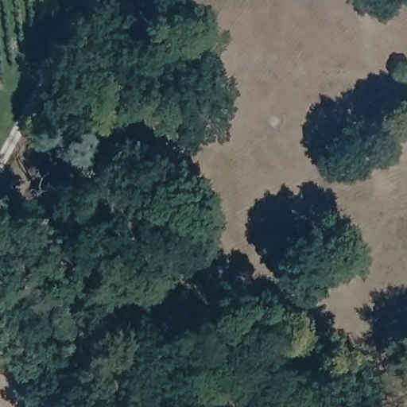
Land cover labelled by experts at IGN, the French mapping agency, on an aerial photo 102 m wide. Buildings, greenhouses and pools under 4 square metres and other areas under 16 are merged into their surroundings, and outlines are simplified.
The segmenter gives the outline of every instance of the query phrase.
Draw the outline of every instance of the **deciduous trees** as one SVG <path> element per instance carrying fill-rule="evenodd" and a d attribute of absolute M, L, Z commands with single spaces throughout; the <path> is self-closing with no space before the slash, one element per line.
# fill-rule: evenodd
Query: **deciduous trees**
<path fill-rule="evenodd" d="M 35 16 L 33 3 L 43 0 L 0 0 L 0 64 L 6 60 L 8 65 L 17 64 L 17 43 L 24 40 L 24 19 Z"/>
<path fill-rule="evenodd" d="M 134 24 L 135 17 L 132 14 L 121 14 L 118 0 L 89 0 L 94 6 L 91 21 L 87 22 L 84 17 L 79 17 L 76 22 L 76 33 L 68 40 L 67 45 L 52 45 L 49 41 L 48 49 L 40 52 L 35 68 L 38 87 L 46 87 L 46 91 L 41 94 L 45 108 L 29 114 L 25 126 L 19 129 L 21 137 L 25 140 L 25 151 L 32 148 L 43 153 L 52 148 L 59 159 L 70 162 L 79 169 L 86 169 L 92 164 L 92 157 L 99 145 L 97 140 L 102 135 L 108 137 L 114 129 L 122 129 L 135 122 L 143 122 L 145 126 L 151 127 L 156 137 L 175 141 L 176 145 L 180 146 L 181 153 L 188 153 L 191 157 L 196 156 L 200 145 L 208 145 L 213 141 L 229 141 L 231 119 L 237 111 L 234 102 L 238 97 L 238 89 L 235 86 L 235 78 L 227 78 L 221 54 L 231 41 L 231 33 L 219 29 L 215 11 L 211 6 L 199 5 L 194 0 L 154 0 L 157 17 L 149 22 L 149 38 L 137 41 L 129 37 L 130 25 Z M 176 92 L 175 87 L 169 87 L 167 94 L 159 94 L 159 75 L 162 78 L 173 79 L 175 70 L 181 70 L 181 91 Z"/>
<path fill-rule="evenodd" d="M 329 289 L 348 283 L 353 277 L 366 280 L 372 264 L 370 248 L 362 240 L 358 227 L 350 223 L 347 231 L 343 232 L 339 226 L 335 226 L 335 221 L 340 218 L 339 208 L 335 211 L 324 211 L 320 207 L 313 211 L 308 221 L 305 221 L 307 227 L 313 229 L 313 245 L 299 238 L 278 266 L 283 277 L 280 277 L 278 286 L 286 291 L 289 299 L 299 307 L 316 308 L 313 300 L 328 297 Z"/>
<path fill-rule="evenodd" d="M 369 14 L 377 17 L 380 22 L 388 21 L 397 14 L 401 5 L 407 5 L 407 0 L 351 0 L 356 13 Z"/>
<path fill-rule="evenodd" d="M 110 167 L 107 167 L 94 184 L 84 184 L 83 189 L 64 184 L 59 186 L 60 200 L 54 205 L 54 218 L 67 219 L 68 216 L 75 216 L 76 223 L 81 224 L 94 215 L 99 200 L 107 200 L 110 205 L 110 221 L 94 227 L 92 234 L 79 234 L 79 243 L 75 245 L 60 248 L 60 238 L 56 240 L 56 245 L 52 240 L 48 240 L 48 237 L 54 234 L 54 229 L 49 226 L 45 210 L 37 200 L 24 199 L 22 205 L 13 202 L 8 205 L 8 197 L 0 199 L 0 372 L 5 375 L 8 386 L 13 390 L 14 401 L 11 404 L 14 407 L 48 407 L 43 399 L 49 394 L 56 393 L 56 370 L 67 367 L 68 358 L 75 351 L 73 347 L 43 347 L 43 342 L 51 335 L 51 329 L 48 328 L 49 310 L 52 307 L 59 308 L 59 313 L 54 316 L 54 324 L 59 328 L 56 339 L 75 340 L 79 335 L 95 331 L 100 321 L 114 312 L 114 308 L 129 304 L 145 308 L 141 312 L 140 331 L 130 331 L 129 342 L 122 340 L 124 332 L 119 331 L 118 337 L 114 334 L 105 334 L 102 340 L 94 343 L 94 359 L 89 364 L 89 372 L 81 372 L 78 385 L 73 386 L 70 393 L 60 399 L 57 407 L 407 407 L 407 337 L 402 339 L 401 335 L 397 334 L 388 340 L 385 345 L 386 361 L 374 366 L 370 364 L 372 356 L 359 355 L 358 351 L 348 351 L 347 340 L 350 339 L 350 335 L 343 329 L 334 328 L 331 340 L 340 342 L 337 351 L 339 356 L 324 359 L 323 367 L 331 374 L 331 383 L 323 386 L 310 378 L 302 377 L 296 370 L 288 370 L 286 366 L 286 362 L 291 358 L 308 356 L 312 350 L 316 353 L 323 348 L 316 340 L 318 335 L 315 320 L 310 320 L 307 313 L 285 313 L 285 308 L 281 307 L 277 296 L 272 296 L 270 291 L 250 296 L 248 289 L 245 288 L 232 296 L 224 297 L 219 302 L 221 320 L 218 323 L 202 324 L 196 334 L 184 331 L 181 337 L 175 337 L 173 342 L 169 342 L 164 335 L 157 334 L 156 326 L 151 323 L 151 307 L 162 304 L 170 289 L 194 277 L 194 273 L 199 270 L 207 269 L 213 259 L 218 258 L 216 243 L 221 243 L 221 232 L 226 229 L 226 218 L 221 210 L 221 199 L 211 189 L 210 181 L 202 176 L 202 173 L 192 176 L 192 180 L 189 181 L 188 164 L 184 161 L 181 162 L 181 170 L 178 170 L 175 169 L 173 162 L 162 156 L 156 156 L 154 161 L 148 161 L 145 154 L 140 153 L 140 141 L 126 140 L 124 149 L 119 149 L 118 153 L 114 154 Z M 95 289 L 94 294 L 83 293 L 84 278 L 91 275 L 92 269 L 99 270 L 102 285 Z"/>
<path fill-rule="evenodd" d="M 320 175 L 332 183 L 355 183 L 366 180 L 374 169 L 388 169 L 390 165 L 397 164 L 402 153 L 401 145 L 407 141 L 407 100 L 402 99 L 402 95 L 397 92 L 388 100 L 385 107 L 370 108 L 359 116 L 355 124 L 335 127 L 329 140 L 324 141 L 321 146 L 323 157 L 315 164 Z"/>

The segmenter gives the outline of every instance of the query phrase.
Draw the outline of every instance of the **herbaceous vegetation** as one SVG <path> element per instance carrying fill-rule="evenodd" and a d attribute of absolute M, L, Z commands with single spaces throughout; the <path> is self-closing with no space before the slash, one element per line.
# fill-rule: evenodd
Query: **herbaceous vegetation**
<path fill-rule="evenodd" d="M 181 91 L 181 70 L 175 70 L 173 79 L 162 78 L 159 75 L 159 94 L 167 94 L 169 87 L 175 87 L 176 92 Z"/>
<path fill-rule="evenodd" d="M 54 316 L 59 313 L 59 308 L 52 307 L 49 310 L 48 328 L 51 329 L 51 335 L 43 342 L 43 347 L 73 347 L 75 351 L 68 358 L 67 367 L 56 370 L 56 393 L 49 394 L 43 399 L 48 407 L 57 407 L 60 399 L 70 393 L 73 386 L 78 385 L 81 372 L 89 372 L 89 364 L 94 359 L 94 343 L 102 340 L 105 334 L 114 334 L 118 337 L 119 331 L 124 332 L 122 340 L 129 342 L 130 331 L 140 331 L 141 312 L 145 308 L 129 304 L 114 308 L 114 312 L 100 321 L 95 331 L 79 335 L 75 340 L 56 339 L 59 328 L 54 324 Z"/>
<path fill-rule="evenodd" d="M 208 145 L 200 145 L 196 156 L 191 157 L 188 153 L 181 153 L 180 146 L 176 145 L 175 141 L 156 137 L 151 127 L 145 126 L 143 122 L 135 122 L 122 129 L 114 129 L 108 137 L 102 135 L 97 140 L 99 145 L 92 157 L 92 164 L 86 169 L 79 169 L 70 162 L 59 159 L 52 148 L 43 153 L 32 148 L 25 151 L 25 140 L 21 137 L 6 162 L 6 165 L 19 176 L 21 184 L 19 189 L 0 192 L 0 199 L 8 197 L 8 205 L 13 202 L 22 205 L 24 199 L 37 200 L 45 210 L 49 226 L 54 229 L 54 234 L 48 237 L 48 240 L 52 240 L 56 245 L 56 240 L 60 238 L 60 248 L 75 245 L 79 243 L 79 234 L 92 234 L 94 227 L 110 221 L 110 205 L 107 200 L 99 200 L 94 215 L 81 224 L 76 223 L 75 216 L 68 216 L 67 219 L 54 218 L 54 205 L 60 200 L 59 186 L 64 184 L 83 189 L 84 184 L 94 184 L 107 167 L 110 167 L 114 154 L 118 153 L 119 149 L 124 149 L 126 140 L 140 141 L 140 153 L 145 154 L 148 161 L 154 161 L 156 156 L 162 156 L 173 162 L 175 169 L 178 170 L 181 170 L 181 162 L 184 161 L 188 164 L 189 181 L 192 180 L 192 176 L 202 173 L 202 176 L 210 181 L 211 189 L 221 199 L 221 210 L 226 218 L 226 229 L 221 232 L 221 243 L 216 243 L 218 258 L 213 259 L 207 269 L 199 270 L 194 273 L 194 277 L 170 289 L 162 304 L 151 307 L 151 323 L 156 326 L 157 334 L 164 335 L 169 342 L 173 342 L 175 337 L 181 337 L 184 331 L 196 334 L 202 324 L 218 323 L 221 320 L 219 302 L 224 297 L 232 296 L 245 288 L 248 289 L 250 296 L 270 291 L 272 296 L 277 296 L 281 307 L 285 308 L 285 313 L 307 313 L 310 320 L 315 320 L 318 335 L 316 340 L 323 348 L 316 353 L 312 350 L 308 356 L 291 358 L 286 362 L 286 366 L 288 370 L 296 370 L 302 377 L 310 378 L 323 386 L 331 383 L 331 374 L 323 367 L 324 359 L 339 356 L 337 351 L 340 342 L 331 340 L 334 328 L 343 329 L 350 335 L 350 339 L 347 340 L 348 351 L 358 351 L 359 355 L 372 356 L 370 364 L 374 366 L 386 361 L 385 345 L 388 340 L 397 334 L 401 335 L 402 339 L 407 337 L 407 141 L 401 145 L 402 153 L 397 164 L 390 165 L 388 169 L 374 169 L 366 180 L 355 183 L 332 183 L 320 175 L 315 164 L 323 157 L 321 146 L 324 141 L 329 140 L 335 127 L 355 124 L 359 116 L 370 108 L 385 107 L 388 100 L 397 92 L 402 95 L 402 99 L 407 100 L 407 5 L 401 5 L 397 14 L 388 21 L 380 22 L 377 17 L 369 14 L 356 13 L 351 0 L 194 0 L 199 5 L 211 6 L 215 11 L 219 29 L 231 33 L 231 41 L 221 54 L 227 78 L 235 78 L 235 86 L 238 89 L 238 97 L 234 102 L 237 111 L 231 119 L 229 141 L 213 141 Z M 335 226 L 339 226 L 343 232 L 347 231 L 350 223 L 358 227 L 362 240 L 370 248 L 372 264 L 366 280 L 353 277 L 348 283 L 329 289 L 328 297 L 313 300 L 316 308 L 299 307 L 289 299 L 286 291 L 278 286 L 280 277 L 283 277 L 278 266 L 299 238 L 313 245 L 313 229 L 307 227 L 305 221 L 308 221 L 313 211 L 320 207 L 324 211 L 335 211 L 339 208 L 340 218 L 335 221 Z"/>
<path fill-rule="evenodd" d="M 0 407 L 14 407 L 11 404 L 14 401 L 13 390 L 8 386 L 5 375 L 0 372 Z"/>
<path fill-rule="evenodd" d="M 35 68 L 40 52 L 48 49 L 49 41 L 52 33 L 67 30 L 65 16 L 87 0 L 43 0 L 33 3 L 35 16 L 24 19 L 24 40 L 17 43 L 17 64 L 8 65 L 6 60 L 0 64 L 0 149 L 10 135 L 11 129 L 17 126 L 17 119 L 22 119 L 24 111 L 32 105 L 33 95 L 38 87 Z"/>
<path fill-rule="evenodd" d="M 154 0 L 118 0 L 121 14 L 132 14 L 135 17 L 134 24 L 130 25 L 129 37 L 137 41 L 149 38 L 149 22 L 157 17 Z"/>
<path fill-rule="evenodd" d="M 83 293 L 94 294 L 95 289 L 102 285 L 99 270 L 92 269 L 91 275 L 84 278 Z"/>

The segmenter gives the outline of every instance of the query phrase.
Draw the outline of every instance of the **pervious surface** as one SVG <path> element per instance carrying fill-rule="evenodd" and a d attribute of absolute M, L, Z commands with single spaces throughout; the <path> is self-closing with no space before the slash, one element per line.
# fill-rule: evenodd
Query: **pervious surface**
<path fill-rule="evenodd" d="M 76 33 L 76 22 L 79 17 L 84 17 L 87 22 L 91 21 L 94 6 L 89 0 L 87 0 L 65 16 L 67 30 L 52 33 L 49 41 L 52 45 L 67 45 L 68 40 Z"/>
<path fill-rule="evenodd" d="M 21 137 L 19 129 L 25 126 L 29 114 L 45 108 L 41 94 L 46 91 L 46 87 L 38 87 L 33 95 L 32 105 L 24 111 L 22 119 L 17 119 L 17 126 L 11 129 L 10 135 L 0 149 L 0 192 L 19 189 L 21 184 L 19 176 L 6 165 L 6 162 Z"/>

